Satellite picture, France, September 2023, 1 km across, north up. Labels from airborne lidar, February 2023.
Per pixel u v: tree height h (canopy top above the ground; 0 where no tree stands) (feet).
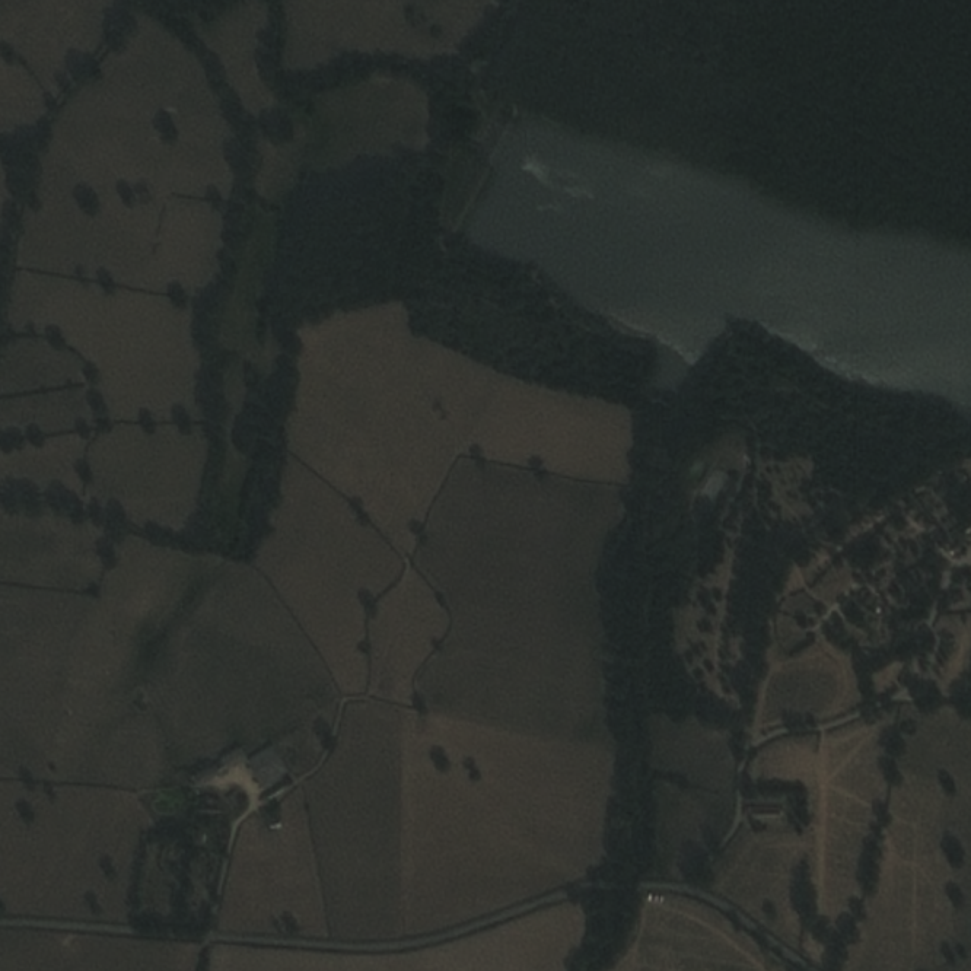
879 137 70
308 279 77
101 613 0
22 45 0
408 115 0
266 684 0
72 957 0
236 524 0
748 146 69
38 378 0
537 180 0
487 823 0
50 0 0
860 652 23
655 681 39
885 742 46
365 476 0
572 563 0
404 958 0
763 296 0
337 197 86
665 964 0
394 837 0
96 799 0
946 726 0
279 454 48
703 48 56
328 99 0
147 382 0
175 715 0
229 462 0
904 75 84
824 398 18
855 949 0
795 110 77
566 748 0
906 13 73
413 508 0
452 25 0
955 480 48
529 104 68
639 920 0
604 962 50
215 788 0
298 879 0
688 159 50
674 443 71
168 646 0
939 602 26
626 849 73
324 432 0
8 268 45
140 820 0
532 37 71
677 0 73
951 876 0
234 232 69
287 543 0
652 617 37
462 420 0
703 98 56
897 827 0
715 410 26
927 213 64
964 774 0
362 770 0
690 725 0
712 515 66
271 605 0
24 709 0
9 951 0
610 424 0
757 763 0
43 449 0
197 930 46
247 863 0
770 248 0
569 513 0
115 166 0
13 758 0
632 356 33
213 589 0
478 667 0
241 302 0
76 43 0
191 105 0
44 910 0
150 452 0
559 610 0
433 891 0
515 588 0
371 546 0
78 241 0
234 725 0
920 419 47
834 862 0
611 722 46
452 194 0
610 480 0
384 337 0
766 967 0
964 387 0
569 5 68
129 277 0
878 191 70
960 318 0
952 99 82
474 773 48
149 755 0
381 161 0
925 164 67
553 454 0
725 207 0
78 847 0
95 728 0
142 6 46
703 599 27
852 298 0
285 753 0
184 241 0
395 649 0
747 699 60
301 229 75
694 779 0
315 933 0
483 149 0
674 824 0
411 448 0
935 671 42
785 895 0
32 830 0
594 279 0
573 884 0
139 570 0
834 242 0
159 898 0
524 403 0
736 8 78
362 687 0
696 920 0
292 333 73
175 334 0
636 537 67
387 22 0
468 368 0
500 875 0
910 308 0
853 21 68
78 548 0
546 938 0
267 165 0
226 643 0
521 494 0
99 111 0
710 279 0
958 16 73
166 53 0
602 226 0
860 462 31
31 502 73
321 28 0
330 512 0
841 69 72
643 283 0
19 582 0
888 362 0
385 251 66
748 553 35
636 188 0
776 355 20
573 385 36
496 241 0
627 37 66
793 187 68
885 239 0
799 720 38
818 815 0
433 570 0
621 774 59
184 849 47
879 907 0
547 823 0
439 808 0
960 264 0
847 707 0
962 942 0
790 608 0
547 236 0
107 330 0
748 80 64
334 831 0
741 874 0
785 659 0
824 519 57
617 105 78
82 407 0
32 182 61
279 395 73
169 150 0
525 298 31
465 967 0
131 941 0
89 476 48
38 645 0
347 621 0
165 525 0
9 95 0
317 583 0
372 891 0
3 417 0
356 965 0
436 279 30
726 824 0
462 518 0
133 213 0
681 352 0
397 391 0
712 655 0
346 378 0
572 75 78
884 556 35
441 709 0
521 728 0
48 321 0
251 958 0
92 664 0
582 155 0
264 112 0
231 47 0
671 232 0
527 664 0
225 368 0
